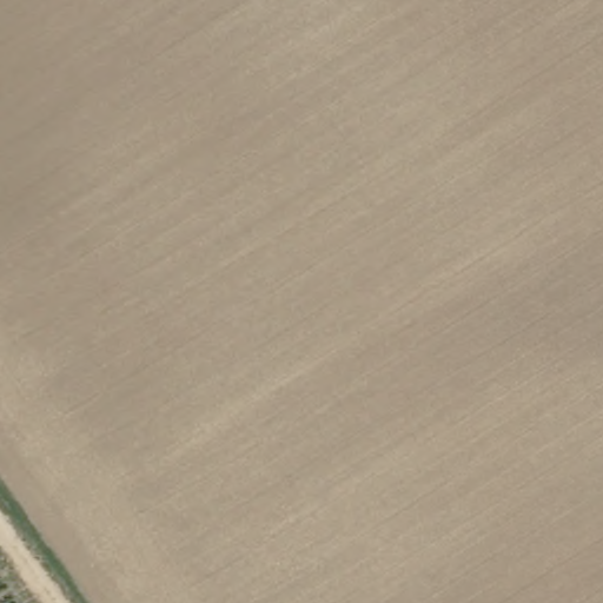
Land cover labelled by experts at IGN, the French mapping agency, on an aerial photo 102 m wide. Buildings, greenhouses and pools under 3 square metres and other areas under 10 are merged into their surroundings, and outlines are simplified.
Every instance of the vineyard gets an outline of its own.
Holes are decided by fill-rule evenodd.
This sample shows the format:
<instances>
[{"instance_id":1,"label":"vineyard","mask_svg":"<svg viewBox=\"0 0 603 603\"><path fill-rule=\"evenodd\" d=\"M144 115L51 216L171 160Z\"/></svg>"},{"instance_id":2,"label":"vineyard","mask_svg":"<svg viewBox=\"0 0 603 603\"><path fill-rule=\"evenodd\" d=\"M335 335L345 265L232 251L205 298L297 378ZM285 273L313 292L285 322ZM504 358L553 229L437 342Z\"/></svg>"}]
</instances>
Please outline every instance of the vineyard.
<instances>
[{"instance_id":1,"label":"vineyard","mask_svg":"<svg viewBox=\"0 0 603 603\"><path fill-rule=\"evenodd\" d=\"M0 546L0 603L40 603Z\"/></svg>"}]
</instances>

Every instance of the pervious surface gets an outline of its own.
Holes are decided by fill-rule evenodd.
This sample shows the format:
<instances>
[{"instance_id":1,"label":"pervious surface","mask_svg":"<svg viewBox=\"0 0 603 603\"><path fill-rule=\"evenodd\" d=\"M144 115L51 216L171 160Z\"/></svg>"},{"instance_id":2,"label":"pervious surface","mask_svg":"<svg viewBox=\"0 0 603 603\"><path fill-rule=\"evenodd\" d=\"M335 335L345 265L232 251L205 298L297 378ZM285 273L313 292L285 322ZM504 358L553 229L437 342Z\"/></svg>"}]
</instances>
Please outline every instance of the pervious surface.
<instances>
[{"instance_id":1,"label":"pervious surface","mask_svg":"<svg viewBox=\"0 0 603 603\"><path fill-rule=\"evenodd\" d=\"M61 594L59 584L47 575L42 563L35 558L35 554L28 551L26 542L19 537L9 518L0 511L0 546L40 603L71 603Z\"/></svg>"}]
</instances>

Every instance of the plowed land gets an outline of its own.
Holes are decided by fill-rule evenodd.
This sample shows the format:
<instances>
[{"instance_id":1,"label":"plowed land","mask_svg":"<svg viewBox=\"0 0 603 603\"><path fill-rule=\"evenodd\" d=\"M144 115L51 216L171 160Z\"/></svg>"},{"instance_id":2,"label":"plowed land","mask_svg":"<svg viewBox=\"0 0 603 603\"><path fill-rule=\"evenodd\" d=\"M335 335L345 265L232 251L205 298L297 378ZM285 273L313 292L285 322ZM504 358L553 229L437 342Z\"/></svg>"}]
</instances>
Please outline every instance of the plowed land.
<instances>
[{"instance_id":1,"label":"plowed land","mask_svg":"<svg viewBox=\"0 0 603 603\"><path fill-rule=\"evenodd\" d=\"M90 603L603 603L603 0L0 0L0 478L14 495L14 499L21 504L31 523L38 528L42 539L66 565L66 570L71 572L71 577L75 579L75 584Z\"/></svg>"}]
</instances>

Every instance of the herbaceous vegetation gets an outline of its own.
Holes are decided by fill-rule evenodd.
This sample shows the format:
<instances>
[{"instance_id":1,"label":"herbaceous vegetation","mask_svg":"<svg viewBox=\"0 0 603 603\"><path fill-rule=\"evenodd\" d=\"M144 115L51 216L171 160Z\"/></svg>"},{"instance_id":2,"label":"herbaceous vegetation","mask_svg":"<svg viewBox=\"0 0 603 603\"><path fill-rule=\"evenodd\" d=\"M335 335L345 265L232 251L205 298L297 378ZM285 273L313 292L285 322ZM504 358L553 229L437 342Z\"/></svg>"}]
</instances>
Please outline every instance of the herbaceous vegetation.
<instances>
[{"instance_id":1,"label":"herbaceous vegetation","mask_svg":"<svg viewBox=\"0 0 603 603\"><path fill-rule=\"evenodd\" d=\"M66 565L42 539L38 528L31 523L21 504L14 499L14 495L0 478L0 511L9 518L19 537L26 542L28 551L35 554L35 558L42 563L47 575L59 584L61 594L71 603L90 603L75 584L75 579L71 577L71 572L66 570Z\"/></svg>"}]
</instances>

